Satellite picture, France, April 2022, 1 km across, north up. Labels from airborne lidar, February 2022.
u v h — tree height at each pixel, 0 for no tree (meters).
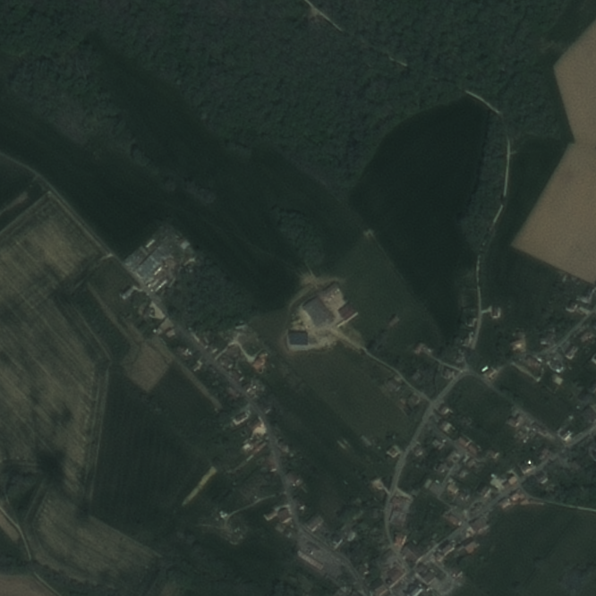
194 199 0
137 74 0
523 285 0
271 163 0
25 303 0
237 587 6
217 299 28
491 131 19
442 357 10
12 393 0
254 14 29
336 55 26
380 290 0
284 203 0
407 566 0
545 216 0
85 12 24
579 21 0
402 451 0
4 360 0
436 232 0
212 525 0
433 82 26
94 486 0
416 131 0
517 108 28
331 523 0
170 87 0
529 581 0
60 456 0
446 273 0
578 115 0
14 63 0
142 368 0
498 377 0
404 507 0
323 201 0
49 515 0
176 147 0
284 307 0
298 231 23
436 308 0
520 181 0
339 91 22
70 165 0
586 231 0
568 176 0
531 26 19
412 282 0
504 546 0
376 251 0
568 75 0
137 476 0
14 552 0
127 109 0
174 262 0
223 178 0
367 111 24
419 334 0
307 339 0
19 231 0
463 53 0
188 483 0
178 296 19
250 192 0
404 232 0
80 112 0
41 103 22
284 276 0
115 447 0
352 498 9
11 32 21
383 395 0
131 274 0
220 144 0
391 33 29
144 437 0
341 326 0
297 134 26
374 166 0
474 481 0
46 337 0
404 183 0
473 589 0
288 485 0
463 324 12
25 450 0
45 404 0
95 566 0
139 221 0
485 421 0
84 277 0
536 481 9
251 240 0
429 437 0
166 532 0
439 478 0
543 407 0
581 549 0
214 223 0
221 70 28
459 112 0
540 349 0
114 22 31
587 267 0
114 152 0
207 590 0
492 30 27
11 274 0
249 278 0
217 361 0
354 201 0
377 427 0
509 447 0
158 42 27
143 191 0
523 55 27
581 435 0
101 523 0
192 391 0
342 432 0
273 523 0
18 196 0
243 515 0
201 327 15
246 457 0
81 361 0
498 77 24
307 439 0
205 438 0
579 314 0
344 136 25
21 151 0
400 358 9
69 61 0
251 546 0
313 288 0
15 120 0
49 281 0
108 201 0
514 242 0
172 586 0
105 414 0
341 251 0
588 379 0
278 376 0
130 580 0
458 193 0
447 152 0
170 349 0
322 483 0
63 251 0
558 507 0
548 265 0
